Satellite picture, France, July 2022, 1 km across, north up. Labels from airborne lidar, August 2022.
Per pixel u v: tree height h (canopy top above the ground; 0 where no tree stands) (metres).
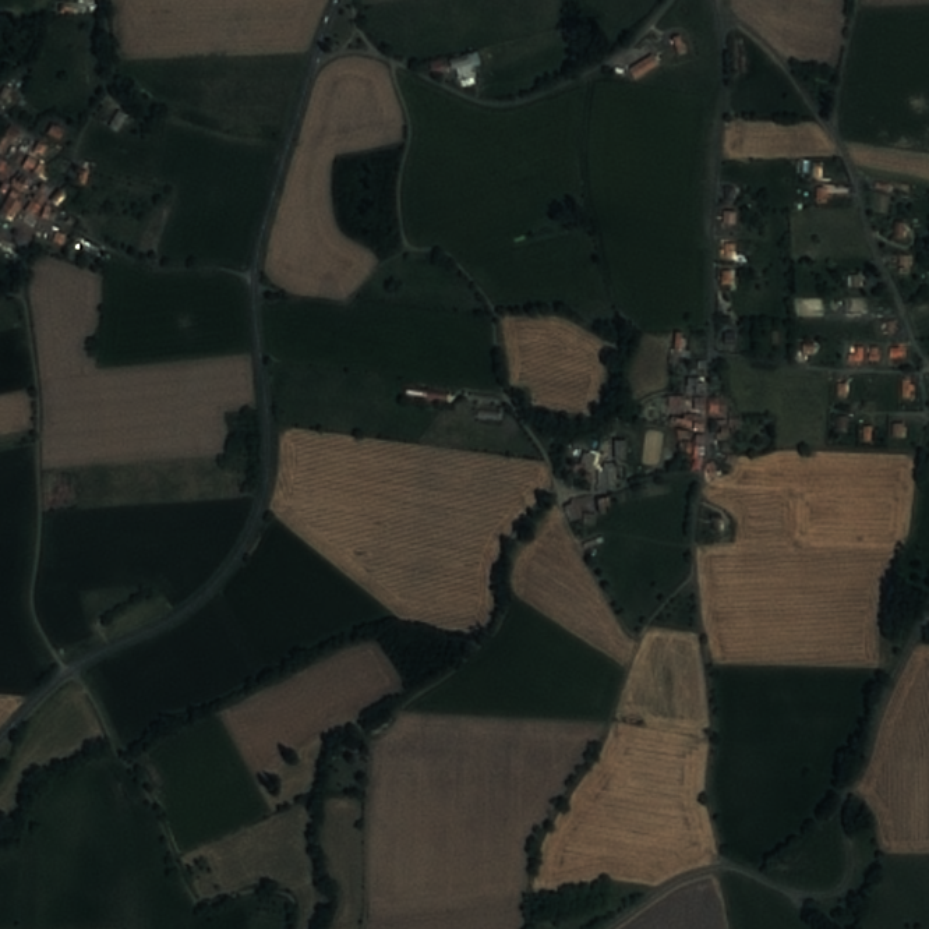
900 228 0
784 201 0
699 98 0
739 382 0
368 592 0
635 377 0
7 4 0
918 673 0
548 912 12
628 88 0
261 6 0
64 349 0
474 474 0
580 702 0
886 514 0
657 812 0
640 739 0
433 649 15
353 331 0
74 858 0
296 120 0
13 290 7
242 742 0
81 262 13
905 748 0
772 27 0
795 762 0
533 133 0
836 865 0
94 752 21
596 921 9
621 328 25
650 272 0
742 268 8
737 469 0
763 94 0
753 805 0
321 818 16
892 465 0
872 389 0
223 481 0
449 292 0
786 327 8
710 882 0
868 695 19
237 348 0
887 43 0
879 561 0
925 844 0
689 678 0
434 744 0
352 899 0
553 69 0
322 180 0
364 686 0
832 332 0
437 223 0
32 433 8
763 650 0
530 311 16
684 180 0
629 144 0
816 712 0
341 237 0
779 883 0
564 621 0
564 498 0
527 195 0
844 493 0
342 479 0
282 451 0
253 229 0
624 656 0
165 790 0
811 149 0
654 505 0
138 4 0
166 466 0
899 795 0
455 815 0
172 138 0
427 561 0
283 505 0
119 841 0
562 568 0
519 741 0
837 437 11
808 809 0
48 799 0
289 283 0
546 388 0
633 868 0
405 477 0
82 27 12
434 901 0
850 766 22
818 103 6
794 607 0
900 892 0
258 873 0
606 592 9
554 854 0
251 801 0
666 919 0
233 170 0
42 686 7
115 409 0
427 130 0
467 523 0
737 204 6
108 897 0
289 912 9
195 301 0
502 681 0
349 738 16
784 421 0
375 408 0
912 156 0
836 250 0
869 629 0
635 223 0
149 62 0
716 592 0
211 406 0
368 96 0
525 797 0
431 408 9
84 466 0
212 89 0
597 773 0
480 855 0
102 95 13
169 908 0
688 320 9
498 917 0
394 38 0
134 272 0
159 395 0
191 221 0
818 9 0
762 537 0
